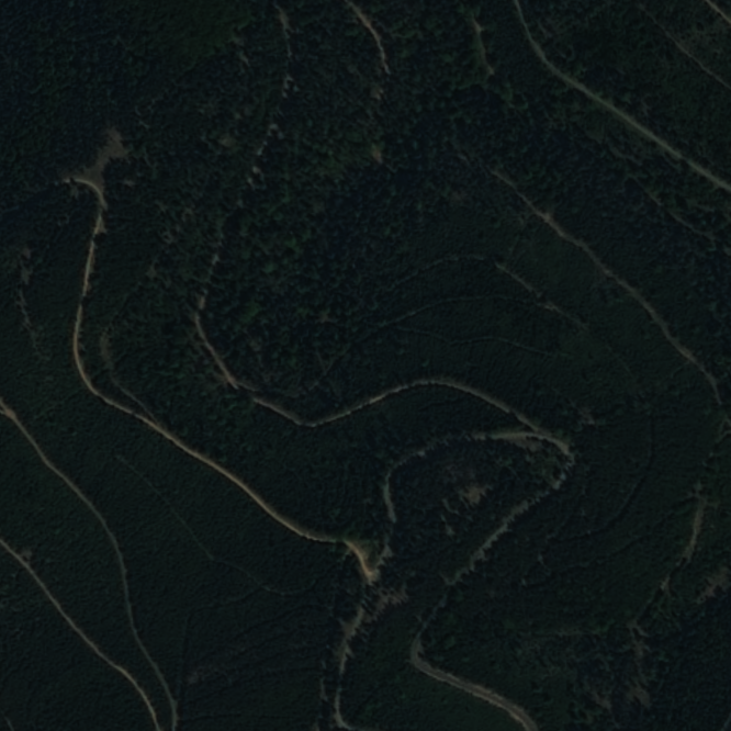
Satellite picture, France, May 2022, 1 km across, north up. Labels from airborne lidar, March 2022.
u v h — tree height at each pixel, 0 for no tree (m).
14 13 22
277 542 11
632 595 9
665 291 9
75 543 7
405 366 7
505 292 7
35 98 17
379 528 27
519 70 21
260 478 7
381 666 8
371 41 12
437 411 12
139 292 12
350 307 20
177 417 7
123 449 6
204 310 10
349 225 40
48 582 6
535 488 19
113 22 20
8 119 20
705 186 7
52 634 7
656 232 11
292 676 16
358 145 26
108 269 7
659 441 13
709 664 20
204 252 8
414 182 36
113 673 8
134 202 8
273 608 12
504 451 22
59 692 13
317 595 15
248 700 15
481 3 14
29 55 19
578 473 16
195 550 7
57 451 7
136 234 11
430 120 34
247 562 9
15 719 12
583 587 15
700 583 11
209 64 10
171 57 19
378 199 36
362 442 8
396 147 36
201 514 9
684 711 20
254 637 17
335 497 13
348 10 34
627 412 10
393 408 7
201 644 14
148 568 9
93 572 7
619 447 13
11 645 11
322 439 6
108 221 29
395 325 11
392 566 26
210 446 8
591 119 9
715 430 9
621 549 7
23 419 8
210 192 36
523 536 17
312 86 31
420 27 38
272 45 32
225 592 12
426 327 6
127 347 7
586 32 9
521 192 8
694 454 11
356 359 13
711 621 19
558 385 7
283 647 16
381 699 8
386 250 20
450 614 19
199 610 10
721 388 14
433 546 25
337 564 13
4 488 8
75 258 13
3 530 6
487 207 6
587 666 6
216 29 22
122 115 16
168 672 13
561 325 11
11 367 6
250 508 8
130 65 18
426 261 8
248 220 9
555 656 12
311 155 35
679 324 9
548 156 31
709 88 9
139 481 7
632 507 13
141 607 12
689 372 6
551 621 12
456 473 22
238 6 30
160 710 13
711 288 11
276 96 12
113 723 14
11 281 8
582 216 16
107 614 9
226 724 12
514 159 12
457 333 7
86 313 11
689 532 6
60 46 19
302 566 15
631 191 33
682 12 10
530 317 10
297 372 8
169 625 9
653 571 12
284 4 33
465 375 10
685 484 10
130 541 7
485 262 8
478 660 7
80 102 17
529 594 17
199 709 16
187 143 11
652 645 28
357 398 9
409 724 9
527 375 6
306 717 15
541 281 5
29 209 19
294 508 11
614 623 12
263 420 8
